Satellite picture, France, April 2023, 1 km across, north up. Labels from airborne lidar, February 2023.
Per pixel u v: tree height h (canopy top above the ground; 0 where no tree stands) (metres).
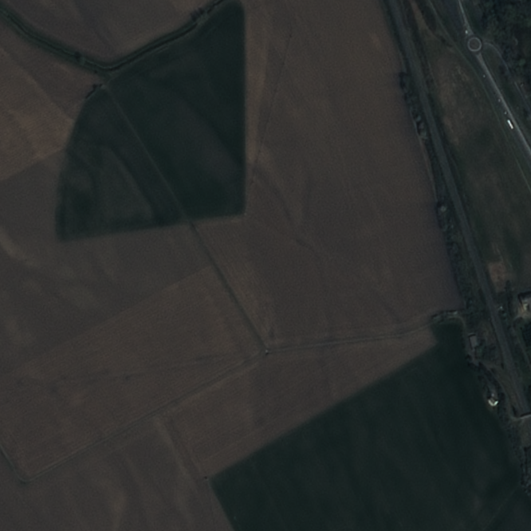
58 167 0
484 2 20
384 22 0
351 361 0
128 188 0
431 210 0
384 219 0
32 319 0
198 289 0
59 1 0
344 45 0
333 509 0
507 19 20
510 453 0
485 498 0
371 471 0
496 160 0
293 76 0
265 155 0
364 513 0
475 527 0
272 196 0
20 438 0
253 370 0
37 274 0
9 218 0
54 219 0
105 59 0
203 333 0
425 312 0
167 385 0
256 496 0
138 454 0
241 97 0
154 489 0
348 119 0
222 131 0
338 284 0
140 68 0
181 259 0
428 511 0
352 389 0
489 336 0
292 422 0
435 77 0
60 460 0
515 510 0
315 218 0
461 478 0
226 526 0
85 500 0
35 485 0
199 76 0
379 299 0
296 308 0
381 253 0
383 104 0
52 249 0
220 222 0
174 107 0
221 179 0
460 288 10
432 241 0
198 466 0
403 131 0
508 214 0
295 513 0
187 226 0
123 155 0
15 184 0
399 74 0
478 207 0
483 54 0
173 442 0
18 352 0
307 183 0
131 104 0
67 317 0
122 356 0
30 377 0
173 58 0
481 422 0
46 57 0
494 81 0
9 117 0
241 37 0
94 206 0
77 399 0
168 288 0
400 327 0
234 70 0
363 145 0
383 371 0
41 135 0
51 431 0
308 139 0
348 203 0
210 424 0
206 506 0
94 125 0
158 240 0
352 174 0
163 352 0
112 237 0
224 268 0
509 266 0
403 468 0
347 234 0
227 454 0
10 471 0
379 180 0
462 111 0
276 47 0
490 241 0
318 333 0
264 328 0
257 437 0
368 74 0
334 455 0
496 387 11
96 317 0
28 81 0
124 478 0
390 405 0
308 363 0
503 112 0
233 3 0
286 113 0
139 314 0
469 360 7
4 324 0
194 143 0
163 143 0
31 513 0
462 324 0
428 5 0
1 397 0
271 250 0
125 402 0
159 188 0
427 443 0
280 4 0
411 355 0
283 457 0
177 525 0
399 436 0
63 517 0
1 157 0
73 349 0
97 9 0
